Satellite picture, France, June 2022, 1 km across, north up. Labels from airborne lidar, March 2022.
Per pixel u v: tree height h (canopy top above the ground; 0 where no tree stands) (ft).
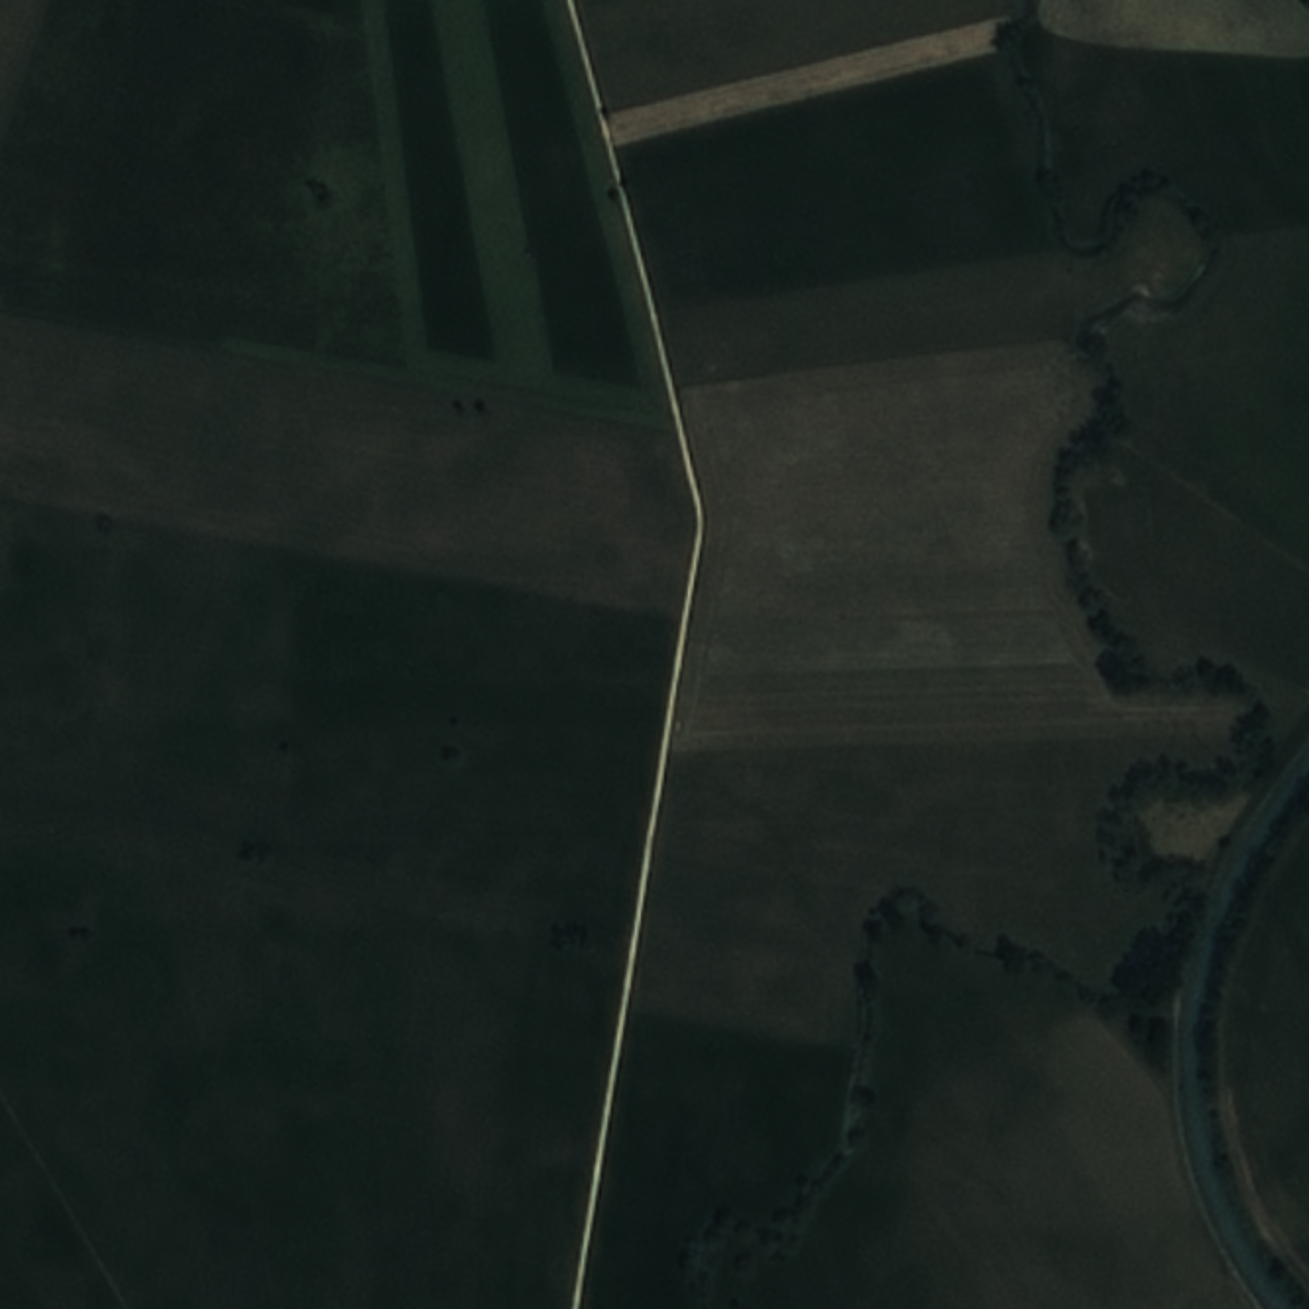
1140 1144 0
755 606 0
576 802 0
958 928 0
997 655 0
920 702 0
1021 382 0
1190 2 0
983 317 0
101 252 0
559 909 0
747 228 0
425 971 0
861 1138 44
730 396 0
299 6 0
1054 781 0
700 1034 0
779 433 0
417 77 0
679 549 0
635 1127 0
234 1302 0
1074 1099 0
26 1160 0
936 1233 0
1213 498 0
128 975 0
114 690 0
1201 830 0
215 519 0
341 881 0
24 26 0
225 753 0
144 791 0
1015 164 0
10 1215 0
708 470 0
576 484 0
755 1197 0
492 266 0
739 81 0
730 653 0
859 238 0
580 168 0
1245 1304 0
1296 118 0
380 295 0
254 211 0
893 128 0
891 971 0
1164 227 0
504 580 0
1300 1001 0
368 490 0
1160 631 0
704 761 0
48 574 0
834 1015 0
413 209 0
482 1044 0
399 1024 0
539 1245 0
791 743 0
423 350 0
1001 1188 0
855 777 0
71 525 0
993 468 0
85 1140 0
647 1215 0
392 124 0
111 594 0
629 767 0
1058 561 0
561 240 0
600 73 0
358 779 0
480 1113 0
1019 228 0
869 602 0
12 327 0
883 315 0
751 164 0
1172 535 0
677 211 0
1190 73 0
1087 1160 0
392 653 0
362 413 0
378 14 0
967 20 0
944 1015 0
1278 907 0
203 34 0
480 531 0
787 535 0
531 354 0
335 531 0
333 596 0
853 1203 0
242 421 0
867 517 0
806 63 0
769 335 0
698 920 0
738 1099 0
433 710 0
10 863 0
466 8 0
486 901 0
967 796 0
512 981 0
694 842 0
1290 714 0
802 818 0
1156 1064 0
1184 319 0
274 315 0
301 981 0
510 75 0
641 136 0
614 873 0
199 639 0
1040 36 0
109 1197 0
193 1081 0
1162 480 0
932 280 0
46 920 0
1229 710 0
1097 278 0
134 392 0
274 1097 0
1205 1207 0
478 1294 0
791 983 0
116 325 0
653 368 0
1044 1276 0
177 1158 0
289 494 0
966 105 0
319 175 0
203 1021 0
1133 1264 0
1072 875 0
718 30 0
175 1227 0
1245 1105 0
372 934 0
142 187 0
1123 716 0
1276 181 0
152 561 0
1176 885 55
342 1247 0
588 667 0
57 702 0
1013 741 0
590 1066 0
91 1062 0
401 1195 0
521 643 0
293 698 0
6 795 0
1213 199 0
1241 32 0
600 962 0
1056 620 0
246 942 0
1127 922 0
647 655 0
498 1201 0
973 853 0
